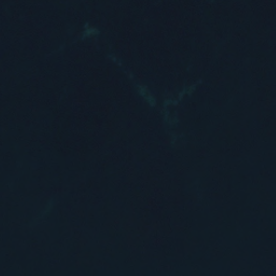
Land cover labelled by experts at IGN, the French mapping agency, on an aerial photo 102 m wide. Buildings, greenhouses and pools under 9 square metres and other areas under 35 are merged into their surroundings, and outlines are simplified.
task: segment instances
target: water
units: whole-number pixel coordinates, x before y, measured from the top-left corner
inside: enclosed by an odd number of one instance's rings
[[[276,0],[0,0],[0,276],[276,276]]]

